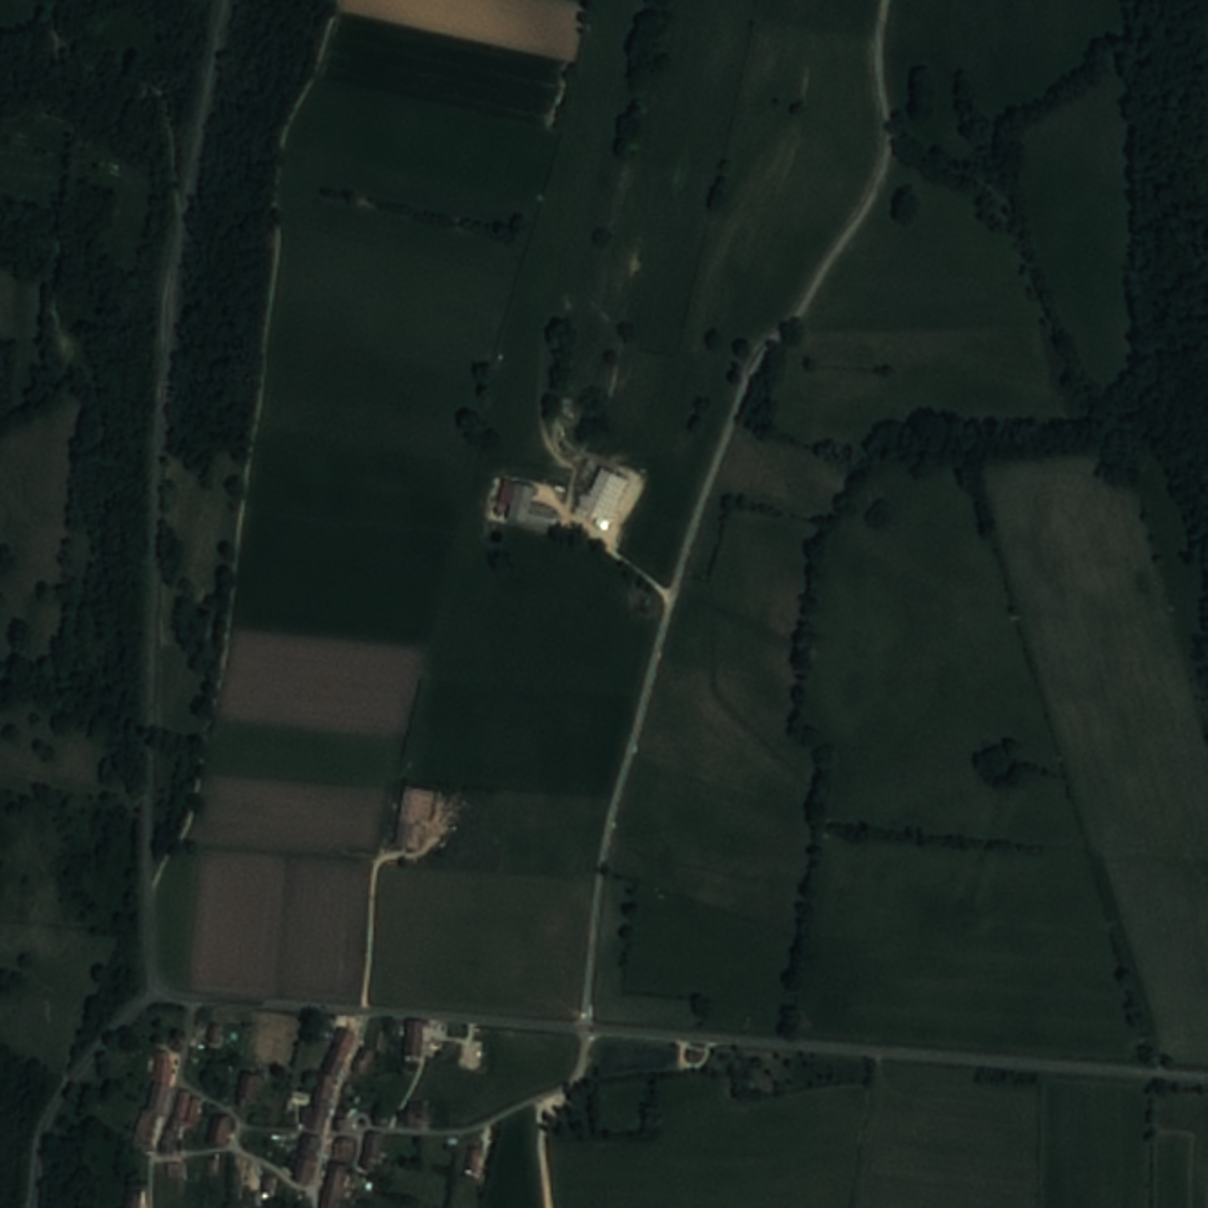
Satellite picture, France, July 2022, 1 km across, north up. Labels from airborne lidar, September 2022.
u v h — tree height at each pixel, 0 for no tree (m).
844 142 0
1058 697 0
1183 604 0
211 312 24
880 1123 0
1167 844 0
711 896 0
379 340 0
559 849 0
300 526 0
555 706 0
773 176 0
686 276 0
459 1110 0
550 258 0
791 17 0
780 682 0
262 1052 0
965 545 0
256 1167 0
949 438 26
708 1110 0
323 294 0
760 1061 11
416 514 0
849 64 0
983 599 0
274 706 0
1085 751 0
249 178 20
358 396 0
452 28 0
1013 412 0
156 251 11
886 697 0
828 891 0
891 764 0
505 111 0
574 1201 0
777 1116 0
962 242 0
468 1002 0
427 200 0
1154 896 0
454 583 0
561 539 22
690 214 0
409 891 0
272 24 16
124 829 21
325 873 0
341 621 0
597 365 0
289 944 0
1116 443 22
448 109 0
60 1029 0
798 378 0
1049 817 0
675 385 0
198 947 0
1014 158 24
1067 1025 0
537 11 0
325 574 0
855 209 0
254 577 0
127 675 17
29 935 0
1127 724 0
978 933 0
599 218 0
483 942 0
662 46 11
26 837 0
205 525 0
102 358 16
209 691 16
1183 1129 0
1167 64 18
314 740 0
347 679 0
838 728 0
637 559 0
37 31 16
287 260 0
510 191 0
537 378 0
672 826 0
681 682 0
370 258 0
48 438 0
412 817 0
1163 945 0
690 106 0
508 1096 0
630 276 0
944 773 0
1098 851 0
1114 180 0
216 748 0
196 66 15
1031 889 0
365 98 0
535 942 0
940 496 0
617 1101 0
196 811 13
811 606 19
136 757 22
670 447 0
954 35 0
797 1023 21
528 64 0
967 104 14
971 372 0
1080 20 0
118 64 20
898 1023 0
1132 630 0
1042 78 0
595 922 0
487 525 0
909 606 0
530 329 0
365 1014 0
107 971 15
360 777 0
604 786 0
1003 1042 0
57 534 0
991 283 0
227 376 26
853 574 0
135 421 9
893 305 0
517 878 0
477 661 0
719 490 0
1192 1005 0
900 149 18
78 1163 13
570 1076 0
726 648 0
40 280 13
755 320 0
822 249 0
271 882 0
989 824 0
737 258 0
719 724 0
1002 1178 0
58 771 0
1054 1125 0
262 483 0
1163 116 19
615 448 0
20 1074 8
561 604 0
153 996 0
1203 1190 0
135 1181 7
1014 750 16
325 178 0
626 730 0
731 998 0
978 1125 0
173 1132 0
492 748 0
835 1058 0
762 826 0
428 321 0
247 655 0
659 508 0
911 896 0
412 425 0
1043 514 0
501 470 0
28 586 0
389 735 0
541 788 0
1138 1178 0
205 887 0
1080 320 0
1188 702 0
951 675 0
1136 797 0
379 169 0
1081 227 0
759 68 0
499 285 0
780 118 0
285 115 20
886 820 0
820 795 14
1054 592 0
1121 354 0
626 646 0
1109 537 0
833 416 0
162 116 14
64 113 11
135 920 10
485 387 8
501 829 0
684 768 0
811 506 0
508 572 25
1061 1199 0
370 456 0
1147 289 21
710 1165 0
